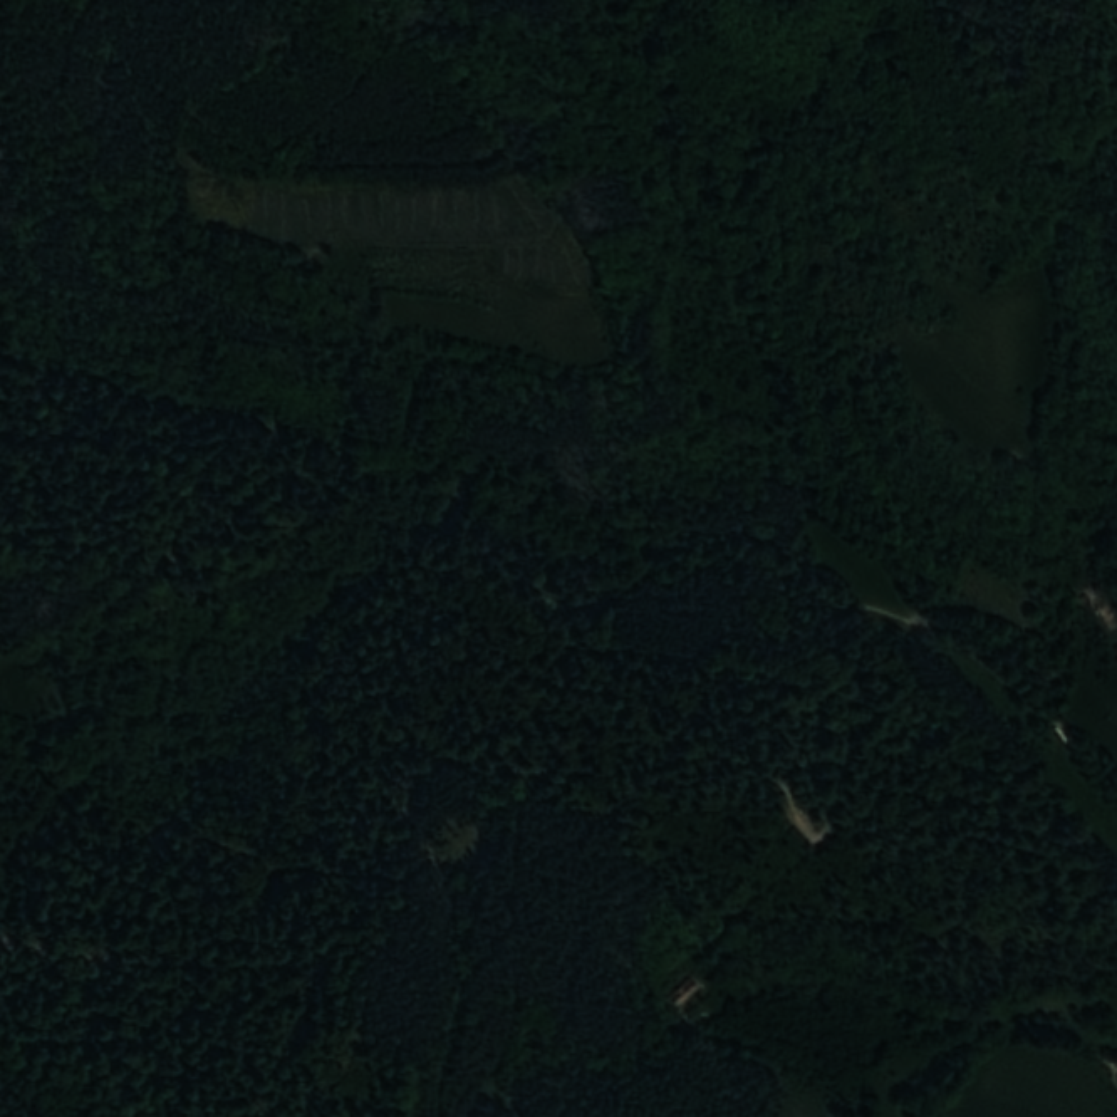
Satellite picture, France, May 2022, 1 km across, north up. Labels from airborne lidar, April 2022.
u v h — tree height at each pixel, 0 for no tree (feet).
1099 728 0
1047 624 40
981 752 23
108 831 121
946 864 42
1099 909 104
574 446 91
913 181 69
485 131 56
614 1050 92
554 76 94
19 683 0
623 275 90
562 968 104
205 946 121
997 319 0
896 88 70
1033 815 68
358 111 36
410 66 37
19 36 71
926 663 101
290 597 72
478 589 73
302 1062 52
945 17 81
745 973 102
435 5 75
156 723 66
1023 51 81
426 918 89
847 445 86
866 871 37
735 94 43
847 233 41
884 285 68
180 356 81
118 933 124
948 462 47
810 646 126
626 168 95
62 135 70
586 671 57
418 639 61
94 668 74
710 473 73
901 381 56
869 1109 72
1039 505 76
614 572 111
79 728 89
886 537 92
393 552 40
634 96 79
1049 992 97
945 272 47
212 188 0
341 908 21
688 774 54
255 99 37
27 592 121
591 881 107
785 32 62
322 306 81
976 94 32
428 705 60
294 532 21
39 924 98
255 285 66
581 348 0
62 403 125
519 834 106
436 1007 88
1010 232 24
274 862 51
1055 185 95
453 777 73
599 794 64
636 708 57
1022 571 27
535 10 112
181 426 141
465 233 0
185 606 27
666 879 52
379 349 82
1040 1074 0
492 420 108
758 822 64
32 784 35
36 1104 74
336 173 37
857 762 80
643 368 97
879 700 132
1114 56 99
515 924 118
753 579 100
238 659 79
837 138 56
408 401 37
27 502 119
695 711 58
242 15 86
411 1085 72
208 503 130
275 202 0
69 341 96
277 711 87
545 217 0
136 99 99
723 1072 109
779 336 61
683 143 78
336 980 88
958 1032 74
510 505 89
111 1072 114
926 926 31
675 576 29
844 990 54
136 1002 118
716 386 33
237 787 54
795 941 92
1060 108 72
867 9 96
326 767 118
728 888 120
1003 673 124
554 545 96
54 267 113
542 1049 79
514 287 0
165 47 92
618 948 104
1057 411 46
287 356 60
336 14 37
